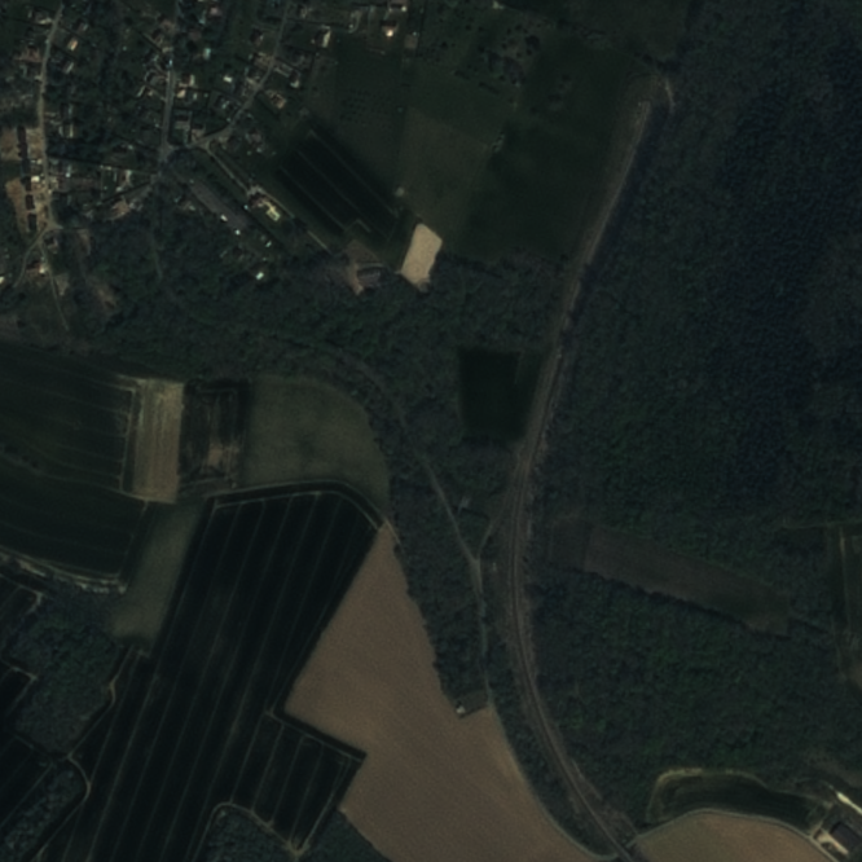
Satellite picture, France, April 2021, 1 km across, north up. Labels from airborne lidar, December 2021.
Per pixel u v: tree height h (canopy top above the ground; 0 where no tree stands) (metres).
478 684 7
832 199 27
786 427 22
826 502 23
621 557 0
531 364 0
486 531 13
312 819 0
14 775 0
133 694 0
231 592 0
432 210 0
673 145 15
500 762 0
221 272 19
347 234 0
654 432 20
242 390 0
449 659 11
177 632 0
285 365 22
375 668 0
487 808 0
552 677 9
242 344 15
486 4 15
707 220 18
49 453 0
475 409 0
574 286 0
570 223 0
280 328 19
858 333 27
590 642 18
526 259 8
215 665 0
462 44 0
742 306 21
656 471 20
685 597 0
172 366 15
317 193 0
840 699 20
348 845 7
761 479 31
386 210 0
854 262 18
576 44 0
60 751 14
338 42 0
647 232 24
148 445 0
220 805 0
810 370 27
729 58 20
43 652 23
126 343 18
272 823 0
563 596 10
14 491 0
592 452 14
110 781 0
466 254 0
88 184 0
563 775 0
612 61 0
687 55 22
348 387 24
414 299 23
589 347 13
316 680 0
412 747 0
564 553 0
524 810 0
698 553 12
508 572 0
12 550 0
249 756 0
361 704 0
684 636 23
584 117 0
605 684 20
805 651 27
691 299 21
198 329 23
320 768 0
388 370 22
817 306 23
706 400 19
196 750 0
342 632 0
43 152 0
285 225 0
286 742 0
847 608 0
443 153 0
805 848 0
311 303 24
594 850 0
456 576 16
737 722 24
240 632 0
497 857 0
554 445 16
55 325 0
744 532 25
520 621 0
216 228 7
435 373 25
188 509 0
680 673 16
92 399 0
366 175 0
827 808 0
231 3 11
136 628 0
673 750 21
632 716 14
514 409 0
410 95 0
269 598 0
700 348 23
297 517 0
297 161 0
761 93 19
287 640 0
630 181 0
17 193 0
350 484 0
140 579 0
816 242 33
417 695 0
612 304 19
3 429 0
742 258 23
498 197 0
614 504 13
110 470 0
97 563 0
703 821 0
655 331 19
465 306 12
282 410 0
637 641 20
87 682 19
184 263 25
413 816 0
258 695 0
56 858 0
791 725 11
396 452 10
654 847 0
